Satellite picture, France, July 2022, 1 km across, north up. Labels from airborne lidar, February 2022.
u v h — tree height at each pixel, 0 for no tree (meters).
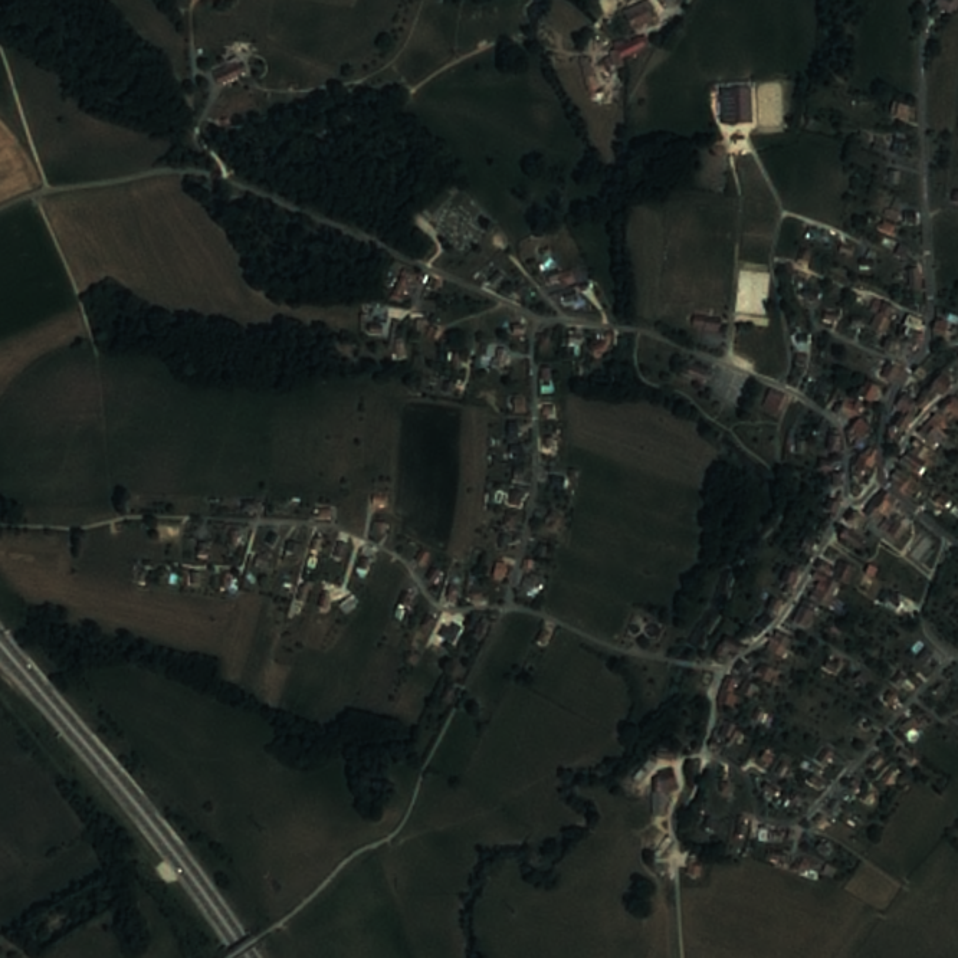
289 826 0
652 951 0
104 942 0
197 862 0
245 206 14
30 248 0
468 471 0
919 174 0
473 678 0
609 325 0
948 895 0
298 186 30
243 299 0
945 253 0
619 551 0
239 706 18
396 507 0
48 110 0
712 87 0
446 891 0
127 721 0
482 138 0
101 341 6
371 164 21
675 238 0
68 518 0
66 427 0
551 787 0
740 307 0
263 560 0
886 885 0
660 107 0
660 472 0
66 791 10
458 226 0
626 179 25
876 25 0
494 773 0
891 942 0
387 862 0
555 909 0
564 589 0
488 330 0
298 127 10
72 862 0
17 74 0
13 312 0
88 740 0
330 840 0
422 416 0
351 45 0
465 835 0
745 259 0
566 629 0
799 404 0
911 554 0
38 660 0
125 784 0
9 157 0
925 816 0
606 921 0
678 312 0
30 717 0
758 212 0
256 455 0
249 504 0
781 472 15
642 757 6
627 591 0
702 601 9
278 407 0
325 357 26
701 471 0
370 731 19
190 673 12
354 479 0
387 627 0
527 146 0
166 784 0
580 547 0
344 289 27
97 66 27
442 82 0
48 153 0
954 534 7
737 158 0
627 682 6
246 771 0
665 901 0
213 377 17
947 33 0
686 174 17
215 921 0
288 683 0
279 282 26
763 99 0
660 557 0
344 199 26
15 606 0
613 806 0
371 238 19
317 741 21
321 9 0
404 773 0
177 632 0
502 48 16
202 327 24
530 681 16
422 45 0
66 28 22
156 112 27
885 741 14
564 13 0
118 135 0
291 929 0
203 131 0
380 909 0
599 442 0
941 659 0
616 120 0
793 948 0
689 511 0
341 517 0
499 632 0
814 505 0
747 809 0
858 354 0
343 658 0
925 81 0
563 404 0
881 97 22
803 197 0
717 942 0
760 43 0
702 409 0
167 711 0
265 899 0
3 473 0
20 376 0
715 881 0
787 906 0
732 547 13
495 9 0
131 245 0
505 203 0
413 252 23
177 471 0
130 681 0
